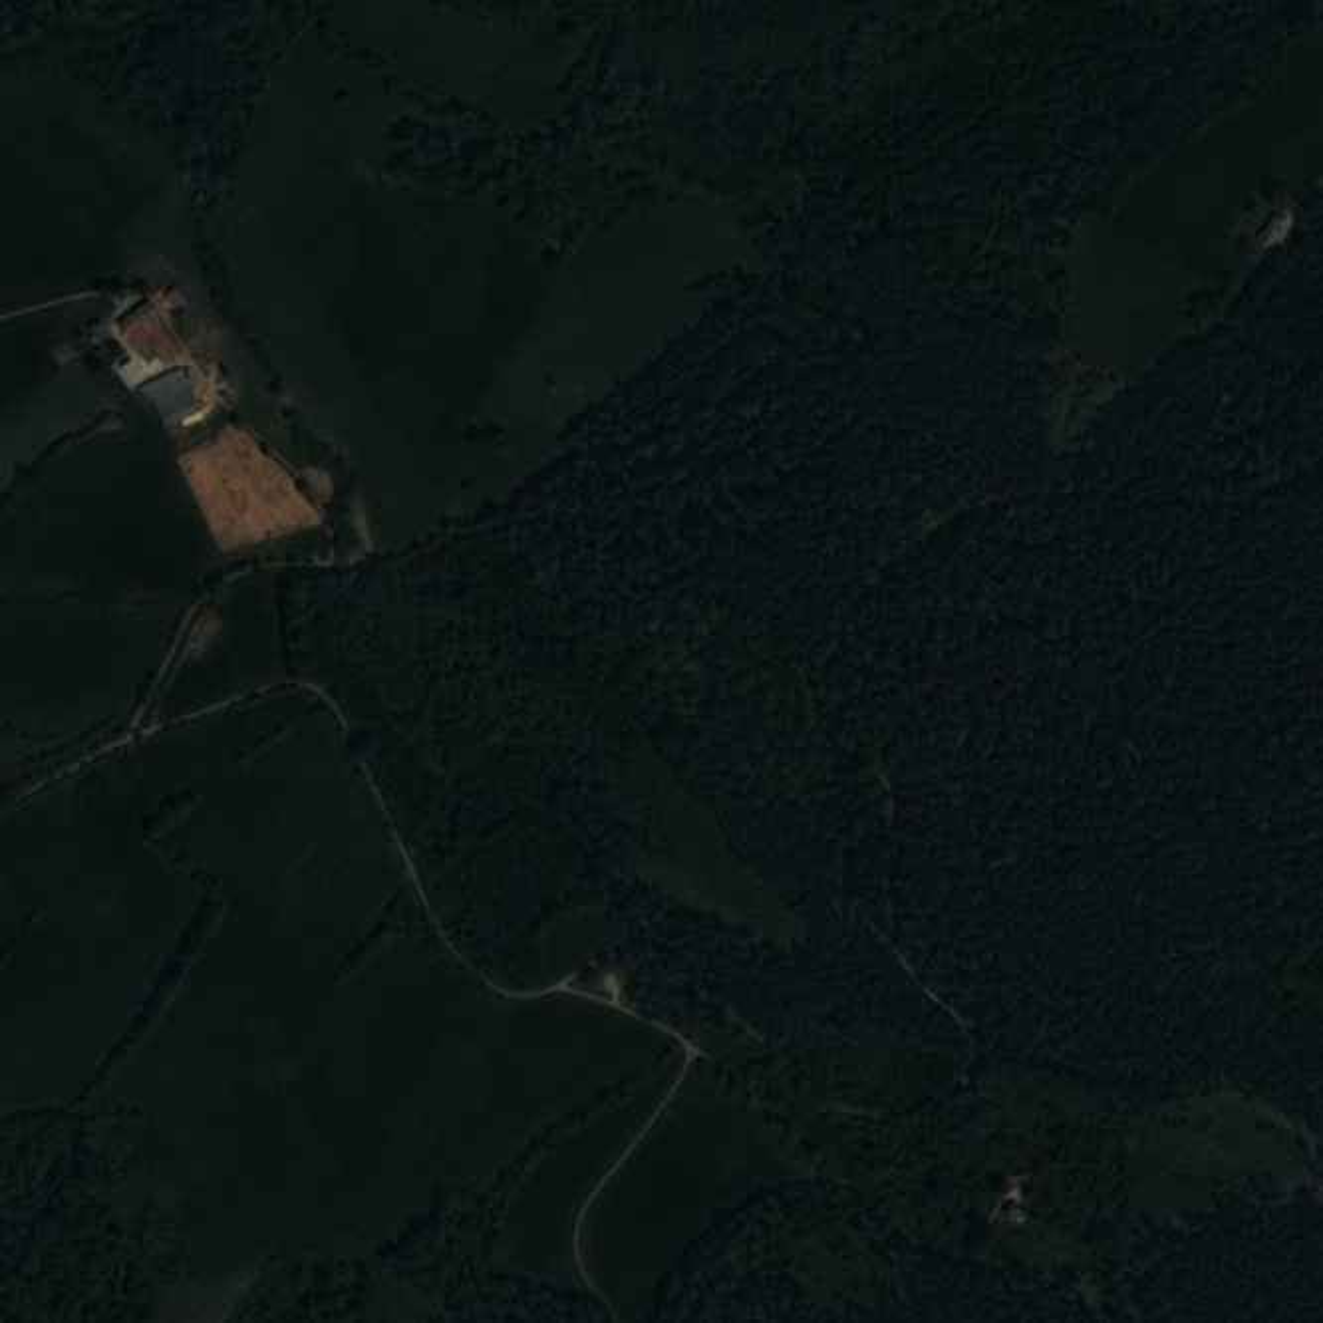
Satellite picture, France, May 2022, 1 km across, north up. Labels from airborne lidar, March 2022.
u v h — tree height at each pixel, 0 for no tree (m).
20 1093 0
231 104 23
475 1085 0
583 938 0
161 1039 0
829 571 30
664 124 16
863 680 18
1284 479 12
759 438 29
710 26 17
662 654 22
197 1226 0
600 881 22
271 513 0
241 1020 0
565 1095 0
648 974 19
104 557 0
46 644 0
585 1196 0
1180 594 23
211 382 0
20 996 0
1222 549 28
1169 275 0
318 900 0
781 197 0
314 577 10
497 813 10
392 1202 0
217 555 0
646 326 0
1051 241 20
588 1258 0
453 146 18
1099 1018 23
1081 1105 23
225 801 0
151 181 0
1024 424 32
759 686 16
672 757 24
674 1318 29
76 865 0
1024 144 8
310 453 12
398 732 7
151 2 17
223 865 0
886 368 36
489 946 11
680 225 0
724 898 0
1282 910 20
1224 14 24
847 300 32
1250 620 20
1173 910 21
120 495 0
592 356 0
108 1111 6
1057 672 21
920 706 22
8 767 0
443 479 0
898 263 28
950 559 27
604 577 20
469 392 0
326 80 0
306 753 0
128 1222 0
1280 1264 26
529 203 21
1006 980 22
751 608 20
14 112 0
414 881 0
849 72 29
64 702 0
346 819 0
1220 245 0
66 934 0
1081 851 24
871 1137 7
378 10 0
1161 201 0
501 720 18
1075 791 23
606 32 7
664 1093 0
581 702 11
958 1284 32
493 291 0
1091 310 0
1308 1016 19
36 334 0
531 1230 0
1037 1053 26
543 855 9
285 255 0
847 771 26
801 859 31
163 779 0
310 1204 0
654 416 20
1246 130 0
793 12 17
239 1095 0
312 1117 0
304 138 0
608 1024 0
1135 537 31
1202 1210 0
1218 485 25
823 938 27
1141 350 0
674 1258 0
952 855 27
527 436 0
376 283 0
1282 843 20
